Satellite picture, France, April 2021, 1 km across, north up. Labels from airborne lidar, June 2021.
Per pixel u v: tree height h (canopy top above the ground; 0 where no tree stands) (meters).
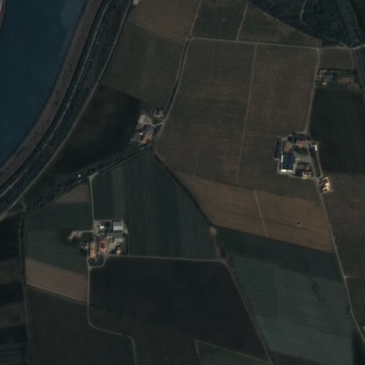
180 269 0
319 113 0
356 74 8
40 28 0
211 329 0
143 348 0
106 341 0
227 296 0
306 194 0
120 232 0
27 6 0
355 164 0
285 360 0
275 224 0
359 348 0
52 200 10
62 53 0
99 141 0
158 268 0
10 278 0
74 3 0
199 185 0
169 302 0
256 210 0
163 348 0
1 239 0
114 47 0
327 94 0
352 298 0
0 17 0
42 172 0
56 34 0
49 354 0
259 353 0
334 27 25
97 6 0
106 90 0
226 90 0
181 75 0
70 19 0
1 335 0
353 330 0
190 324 0
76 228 0
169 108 0
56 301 0
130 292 0
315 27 22
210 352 0
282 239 0
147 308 0
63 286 0
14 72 0
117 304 0
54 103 5
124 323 0
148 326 0
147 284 0
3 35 0
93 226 0
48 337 0
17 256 0
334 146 0
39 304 0
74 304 0
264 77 0
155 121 0
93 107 0
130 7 0
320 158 0
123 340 0
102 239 0
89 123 0
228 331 0
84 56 8
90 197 0
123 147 0
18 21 0
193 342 0
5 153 0
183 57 0
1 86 0
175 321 0
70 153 0
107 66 0
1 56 0
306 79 0
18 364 0
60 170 0
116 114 0
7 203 11
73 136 0
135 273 0
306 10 10
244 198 0
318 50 0
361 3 0
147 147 12
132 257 0
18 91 0
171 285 0
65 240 0
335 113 0
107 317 0
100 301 0
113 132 0
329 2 13
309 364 0
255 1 9
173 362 0
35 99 0
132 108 0
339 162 0
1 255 0
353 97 0
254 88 0
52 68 0
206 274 0
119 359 0
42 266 0
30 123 0
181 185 8
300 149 12
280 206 0
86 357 0
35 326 0
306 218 0
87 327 0
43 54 0
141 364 0
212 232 0
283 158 0
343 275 0
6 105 0
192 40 0
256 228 0
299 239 0
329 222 0
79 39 7
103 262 0
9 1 0
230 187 0
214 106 0
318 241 0
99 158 0
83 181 6
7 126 0
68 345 0
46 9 0
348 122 0
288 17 8
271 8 17
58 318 0
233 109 0
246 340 0
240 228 0
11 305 0
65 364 0
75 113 7
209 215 0
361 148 0
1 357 0
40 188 0
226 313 0
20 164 0
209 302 0
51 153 0
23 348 0
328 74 12
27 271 0
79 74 8
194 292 0
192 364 0
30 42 0
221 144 0
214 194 0
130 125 0
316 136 0
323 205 0
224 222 0
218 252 0
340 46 0
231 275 0
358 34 16
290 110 0
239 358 0
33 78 0
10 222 0
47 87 0
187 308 0
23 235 9
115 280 0
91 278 0
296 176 0
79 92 6
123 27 0
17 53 0
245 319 0
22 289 0
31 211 7
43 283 0
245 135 0
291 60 0
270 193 0
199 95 0
